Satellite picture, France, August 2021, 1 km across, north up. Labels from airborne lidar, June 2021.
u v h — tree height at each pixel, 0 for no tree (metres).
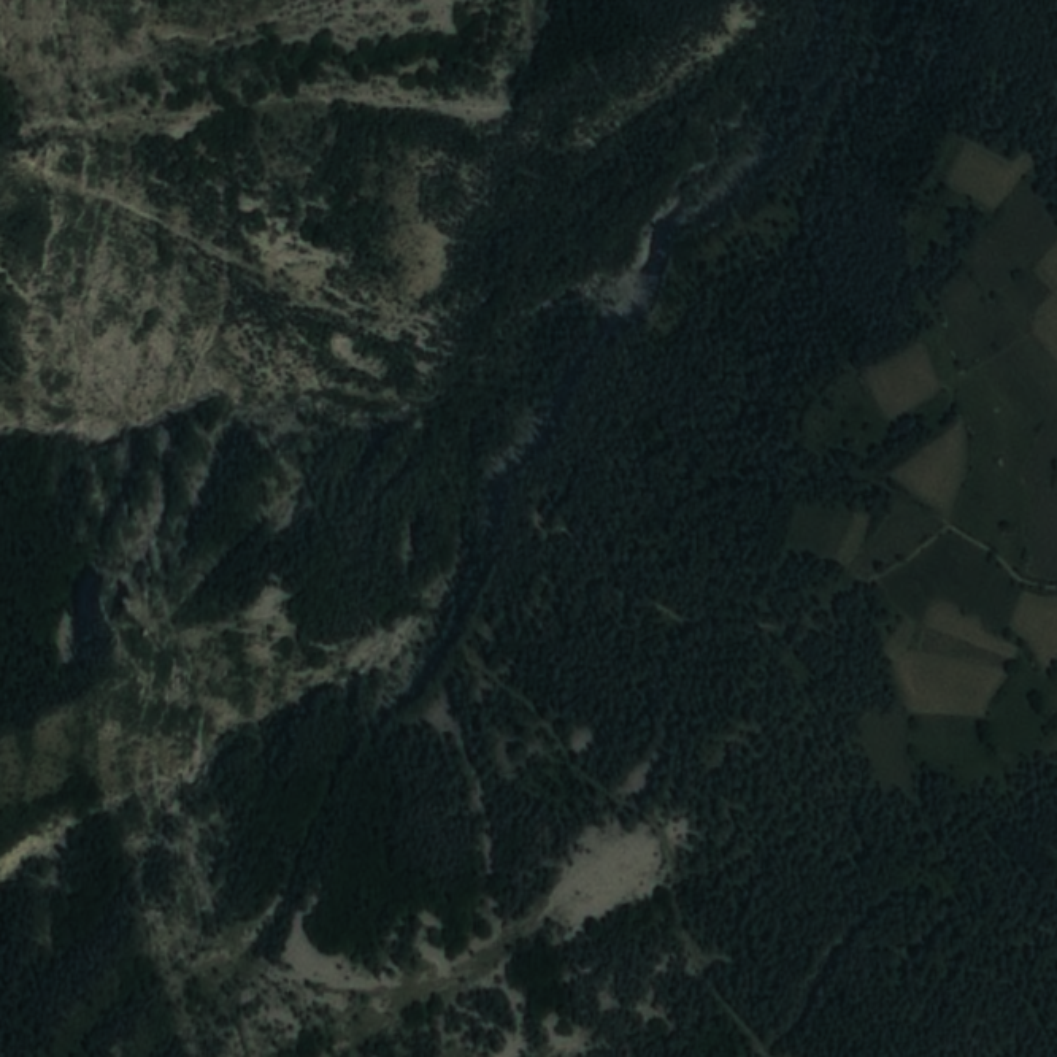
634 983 9
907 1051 16
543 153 11
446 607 8
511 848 13
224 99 12
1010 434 0
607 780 14
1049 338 0
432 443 10
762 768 21
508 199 14
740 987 22
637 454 21
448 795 13
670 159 10
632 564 13
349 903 11
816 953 18
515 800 12
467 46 15
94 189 0
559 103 8
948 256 14
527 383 10
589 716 18
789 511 24
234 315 8
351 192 13
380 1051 9
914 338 13
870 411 0
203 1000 7
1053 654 0
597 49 12
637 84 7
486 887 7
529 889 8
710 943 10
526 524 19
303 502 7
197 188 9
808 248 12
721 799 9
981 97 10
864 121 22
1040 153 7
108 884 15
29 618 11
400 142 7
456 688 19
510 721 9
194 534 10
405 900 13
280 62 7
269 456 8
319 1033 11
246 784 18
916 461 0
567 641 20
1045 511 0
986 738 14
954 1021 16
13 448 9
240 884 8
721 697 21
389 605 16
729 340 21
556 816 13
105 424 0
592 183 16
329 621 18
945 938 27
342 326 10
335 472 16
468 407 8
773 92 15
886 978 16
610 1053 8
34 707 9
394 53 11
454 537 9
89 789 11
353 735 10
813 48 9
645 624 6
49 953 9
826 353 16
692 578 23
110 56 0
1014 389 0
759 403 12
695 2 15
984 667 0
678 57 8
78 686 9
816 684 13
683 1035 12
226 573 11
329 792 7
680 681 23
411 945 9
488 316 9
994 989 9
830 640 14
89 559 13
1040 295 0
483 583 9
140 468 9
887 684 9
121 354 0
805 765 10
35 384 0
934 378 0
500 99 0
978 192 0
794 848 22
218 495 10
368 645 0
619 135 10
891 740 0
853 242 19
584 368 11
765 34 9
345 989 0
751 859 13
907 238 16
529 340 10
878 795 14
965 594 0
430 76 18
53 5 0
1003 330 0
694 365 10
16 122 8
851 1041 11
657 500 22
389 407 6
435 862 11
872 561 0
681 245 7
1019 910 16
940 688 0
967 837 12
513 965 9
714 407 21
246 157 7
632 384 21
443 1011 8
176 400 0
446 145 10
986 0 13
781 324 8
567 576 18
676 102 9
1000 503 0
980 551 0
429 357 7
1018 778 9
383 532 14
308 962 0
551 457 14
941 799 18
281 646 8
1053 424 0
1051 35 14
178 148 12
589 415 16
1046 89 16
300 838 14
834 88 12
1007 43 12
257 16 0
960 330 0
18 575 11
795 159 14
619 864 0
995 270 0
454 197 11
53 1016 10
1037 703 14
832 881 26
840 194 20
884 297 17
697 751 19
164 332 0
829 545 0
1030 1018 12
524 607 26
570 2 12
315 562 17
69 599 10
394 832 13
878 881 25
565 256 7
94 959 8
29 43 0
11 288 8
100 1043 6
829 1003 8
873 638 13
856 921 15
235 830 6
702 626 12
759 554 27
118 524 8
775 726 25
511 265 25
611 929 8
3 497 8
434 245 0
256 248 5
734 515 26
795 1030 6
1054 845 14
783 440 17
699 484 23
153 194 10
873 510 15
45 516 11
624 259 8
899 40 14
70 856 20
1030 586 8
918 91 23
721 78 10
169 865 7
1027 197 0
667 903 14
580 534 17
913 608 0
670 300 7
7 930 13
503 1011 6
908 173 13
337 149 9
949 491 0
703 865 16
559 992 20
